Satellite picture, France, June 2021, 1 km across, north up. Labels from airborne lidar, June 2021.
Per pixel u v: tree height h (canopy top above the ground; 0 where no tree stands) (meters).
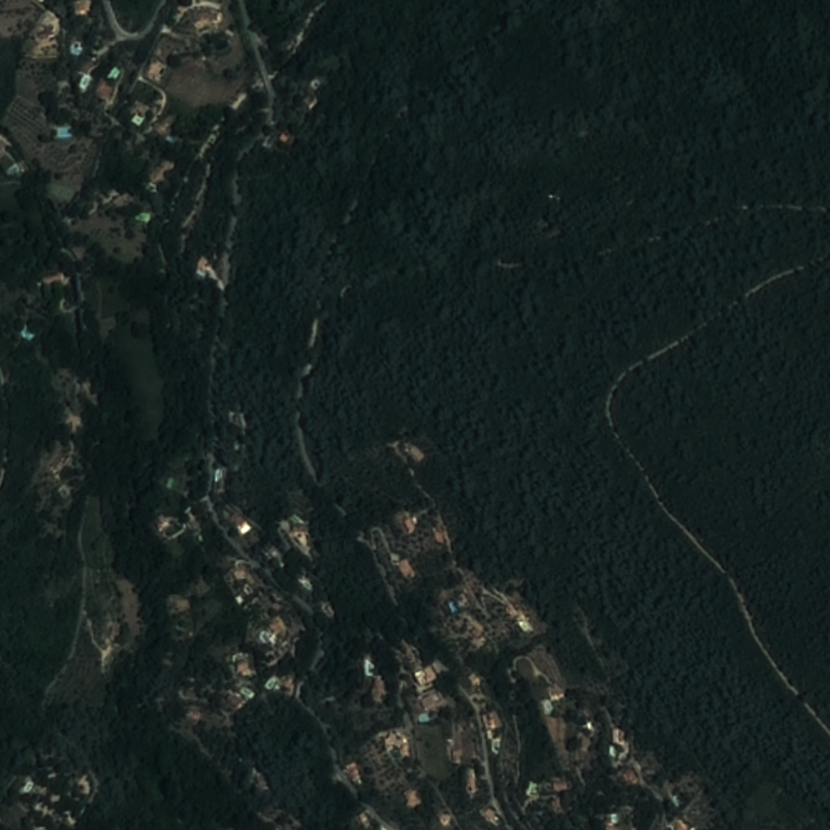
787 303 15
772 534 7
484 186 24
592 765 7
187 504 16
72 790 7
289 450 12
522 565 8
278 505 15
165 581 10
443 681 15
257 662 9
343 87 10
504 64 15
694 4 13
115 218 8
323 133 11
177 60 14
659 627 8
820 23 11
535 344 9
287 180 11
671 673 21
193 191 12
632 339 20
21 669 19
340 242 13
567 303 9
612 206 17
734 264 7
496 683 10
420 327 15
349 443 8
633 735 6
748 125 12
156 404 0
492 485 8
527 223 22
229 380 8
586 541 19
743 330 10
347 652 10
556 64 14
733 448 6
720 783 8
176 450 12
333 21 16
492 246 16
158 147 9
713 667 16
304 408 17
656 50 9
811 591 7
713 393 8
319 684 6
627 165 13
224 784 14
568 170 7
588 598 11
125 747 15
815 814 7
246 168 12
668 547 17
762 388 6
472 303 17
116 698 11
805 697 16
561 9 14
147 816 13
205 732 9
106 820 19
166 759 23
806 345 8
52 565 8
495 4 8
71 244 15
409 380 13
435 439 8
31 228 16
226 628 7
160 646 19
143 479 11
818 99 21
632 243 8
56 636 7
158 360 10
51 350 15
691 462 7
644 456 8
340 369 15
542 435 13
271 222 22
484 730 7
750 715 17
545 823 9
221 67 0
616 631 12
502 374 6
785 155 15
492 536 20
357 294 14
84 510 16
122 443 11
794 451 6
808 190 14
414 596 6
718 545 7
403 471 6
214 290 7
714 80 24
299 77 9
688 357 6
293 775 19
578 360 7
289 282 13
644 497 7
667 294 9
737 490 6
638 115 13
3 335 9
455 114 19
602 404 7
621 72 11
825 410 8
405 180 17
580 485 18
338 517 12
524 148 18
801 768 14
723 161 10
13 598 9
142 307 9
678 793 7
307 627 12
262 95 14
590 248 13
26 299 8
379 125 21
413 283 15
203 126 8
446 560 13
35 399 12
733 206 9
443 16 14
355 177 17
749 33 12
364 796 17
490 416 12
